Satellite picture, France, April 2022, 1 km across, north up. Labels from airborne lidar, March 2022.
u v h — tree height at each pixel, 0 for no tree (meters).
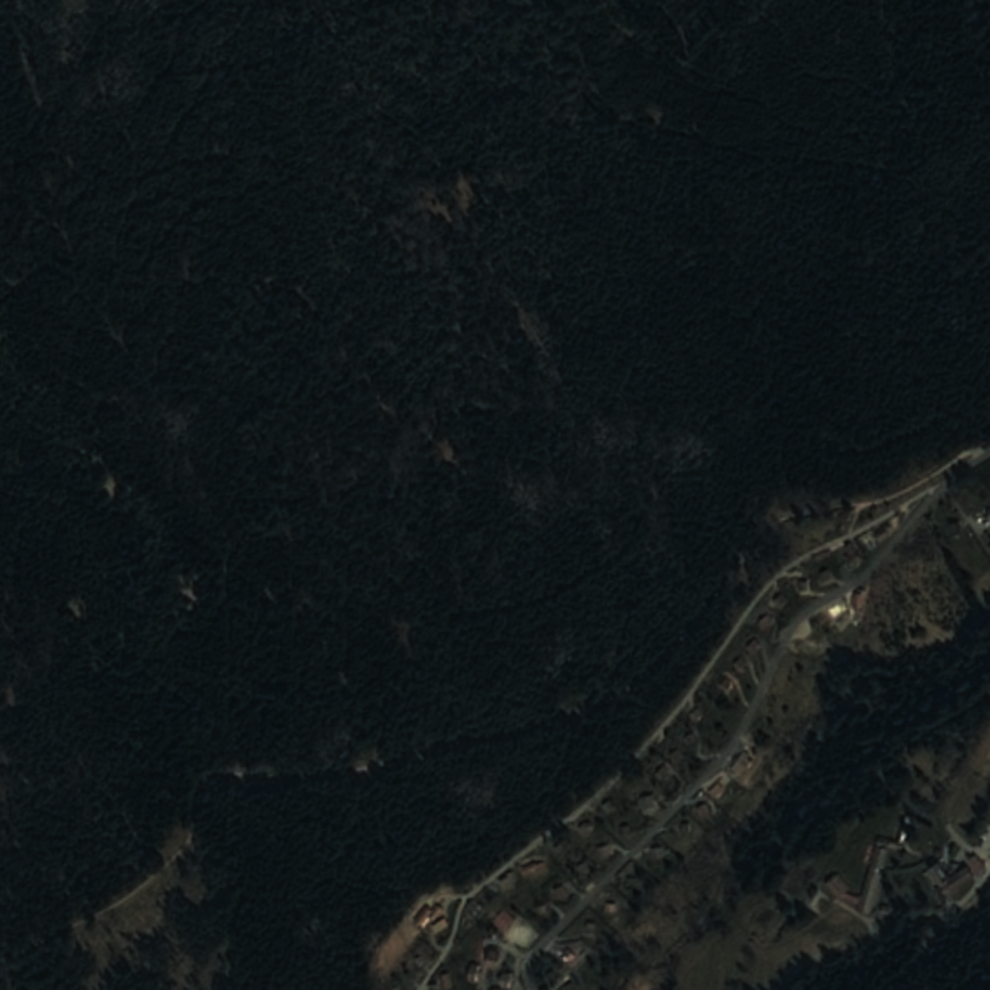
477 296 22
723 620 22
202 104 18
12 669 25
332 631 22
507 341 14
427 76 11
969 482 12
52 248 10
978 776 0
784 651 0
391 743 22
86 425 11
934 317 28
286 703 20
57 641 21
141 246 14
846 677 30
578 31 8
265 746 28
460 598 23
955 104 23
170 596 24
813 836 27
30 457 16
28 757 21
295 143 7
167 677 17
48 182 11
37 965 32
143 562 22
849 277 29
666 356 28
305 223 9
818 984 21
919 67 21
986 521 0
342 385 24
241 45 17
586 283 21
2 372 7
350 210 8
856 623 0
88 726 22
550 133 24
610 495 25
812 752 16
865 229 25
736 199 25
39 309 18
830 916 0
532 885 0
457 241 23
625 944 20
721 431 27
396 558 19
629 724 26
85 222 12
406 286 23
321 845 30
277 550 17
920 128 22
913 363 30
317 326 8
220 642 21
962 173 24
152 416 25
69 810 23
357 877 30
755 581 20
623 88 10
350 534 24
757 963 16
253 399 10
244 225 11
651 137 15
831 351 29
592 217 24
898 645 8
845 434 27
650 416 28
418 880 32
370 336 16
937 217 25
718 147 16
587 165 27
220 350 18
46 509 21
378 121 10
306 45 16
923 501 0
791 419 33
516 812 24
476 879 13
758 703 0
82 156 15
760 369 27
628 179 24
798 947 0
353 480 20
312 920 21
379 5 11
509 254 33
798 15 14
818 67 12
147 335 13
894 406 28
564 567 30
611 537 24
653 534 29
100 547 13
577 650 17
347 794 25
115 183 10
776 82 13
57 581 23
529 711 28
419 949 0
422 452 20
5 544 22
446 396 17
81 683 19
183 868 19
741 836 11
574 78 31
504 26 39
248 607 21
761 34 11
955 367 27
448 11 40
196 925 30
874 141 18
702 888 0
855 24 12
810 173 19
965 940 22
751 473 25
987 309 28
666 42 15
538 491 16
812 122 12
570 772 27
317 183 11
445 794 25
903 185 25
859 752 19
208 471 17
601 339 26
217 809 28
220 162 14
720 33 12
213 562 23
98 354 17
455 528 22
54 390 13
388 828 22
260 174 14
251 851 27
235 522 15
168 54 18
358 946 29
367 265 18
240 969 28
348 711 21
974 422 25
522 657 26
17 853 21
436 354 19
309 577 19
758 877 25
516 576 31
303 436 25
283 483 19
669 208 23
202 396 20
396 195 11
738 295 28
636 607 30
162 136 14
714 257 25
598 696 21
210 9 9
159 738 17
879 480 25
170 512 15
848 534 0
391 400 20
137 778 25
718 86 8
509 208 24
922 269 31
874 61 12
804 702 0
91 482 21
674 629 22
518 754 28
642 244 24
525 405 18
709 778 0
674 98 6
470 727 21
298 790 26
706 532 26
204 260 14
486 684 25
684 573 25
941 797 18
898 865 13
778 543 27
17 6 23
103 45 17
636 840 0
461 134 20
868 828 0
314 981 28
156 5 18
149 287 14
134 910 0
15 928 26
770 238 26
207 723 25
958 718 20
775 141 14
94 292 11
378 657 17
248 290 15
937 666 11
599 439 21
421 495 21
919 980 25
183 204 15
